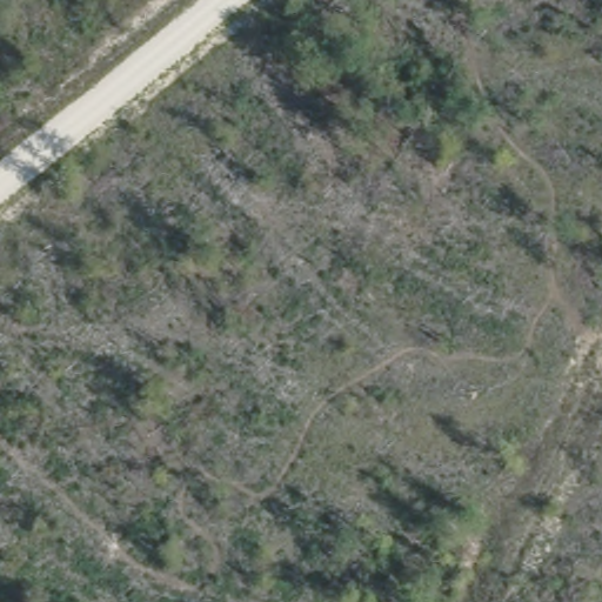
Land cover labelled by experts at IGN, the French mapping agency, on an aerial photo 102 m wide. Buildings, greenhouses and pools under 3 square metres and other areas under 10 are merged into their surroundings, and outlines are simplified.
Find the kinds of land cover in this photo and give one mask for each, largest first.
<instances>
[{"label":"coniferous trees","instance_id":"1","mask_svg":"<svg viewBox=\"0 0 602 602\"><path fill-rule=\"evenodd\" d=\"M198 0H0V162L7 155H12V151L21 146V141H26L35 129H42L66 106L87 94L113 68H118L127 56L143 47L151 38H155L165 26H169ZM508 16V7L501 2H496L494 7H473L470 2L461 0H247L242 7L226 12L223 21L209 33H205V38L198 40L188 54L179 56L172 66L158 73V78H153L139 94H134L125 106H120L113 120H106L103 127L92 129L80 141V146L71 148L68 153L49 162L28 183H21L19 190H14L7 200L0 202V602H461L466 597L468 583L475 578V569L461 567L466 550L463 546L447 548L440 541L447 539V522L452 517L463 515L466 508L454 496H447L433 484L414 477L409 468L395 466L393 459L386 454H381L374 461L372 468L360 470L357 480L374 482V491L369 494V499L388 508L390 517H395L393 536H383L381 543L374 541L364 527H360V520L341 529V513L329 503L320 501V494L303 496L299 487L282 484L261 503L275 517V527L292 531L299 555L292 562H259V534L249 529H235L230 536L226 562L219 571H183V578H176L174 571L186 560L183 541H169V527L165 520L172 501L155 499L148 506L122 503L120 499L125 487L111 480V475L134 470L155 475V470L162 466L160 454L165 452V442L190 437V426H202L219 416L221 402L216 397L202 400V395H198V386L209 376L212 369L207 367V353L202 348H193L188 341H183L188 336V329L183 322L190 317V310H195L198 315L207 317V325L226 332V310L219 301V289L214 285V277H209V270L221 268L223 249H230L233 256L240 259L252 242L261 245L263 235L259 233L256 219L270 207L275 198L287 200L296 195L306 205H322L327 181L339 179L348 183L353 172L362 167L360 155L372 146L388 143L393 136H397V148L412 151L428 162L452 167L461 160L463 141L475 136L482 125L494 120V115L506 120V132H513L520 122H534L536 129H543L557 115L562 99V94H550L541 89L539 94H534L539 103L536 111H517V101L522 99L520 82L508 80L496 89L475 87L473 80L466 78L463 66H456L449 54L440 56L437 49L447 40H454L459 33L468 35L470 28H482ZM586 9L581 14L557 9L548 2L527 9V16L520 24V28H510L506 33V40H513L517 52L529 49L534 56H543V42L550 35H560L564 40H576L581 47L586 45V54L602 63V0H583ZM169 477L186 482V491L195 499L200 508L216 510L219 499L212 491L214 487H209V482L200 477L198 470L172 468Z\"/></svg>","mask_w":602,"mask_h":602},{"label":"clear cut","instance_id":"2","mask_svg":"<svg viewBox=\"0 0 602 602\"><path fill-rule=\"evenodd\" d=\"M397 136H393L388 143L372 146L360 155L362 167L353 172L348 183L339 179L327 181L322 205H306L296 195L287 200L275 198L270 207L256 219L259 233L263 235L261 245L252 242L240 259L233 256L230 249H223L221 268L209 270V277H214V285L219 289V301L226 310V332L207 325V317L198 315L195 310H190V317L183 322L188 329V336L183 341H188L193 348H202L207 353V367L212 369L209 376L198 386V395H202V400L216 397L221 402L219 416L202 426H190V437L165 442V452L160 454L162 466L155 470V475L134 470L111 475V480L125 487L120 499L122 503L148 506L155 499L172 501L165 520L169 527V541H183L186 560L174 571L176 578H183V571H219L226 562L230 536L235 529H249L259 534V562H292L299 555L292 531L275 527V517L261 503L282 484L299 487L303 496L320 494V501L329 503L341 513V529L360 520V527H364L374 541L381 543L383 536H393L395 517H390L388 508L369 499V494L374 491V482L357 480L360 470L372 468L374 461L381 454H386L393 459L395 466L409 468L414 477L433 484L447 496H454L466 508L463 515L452 517L447 522V539L440 541L447 548L463 546L466 550L461 567L475 569V578L468 583L466 597L461 602H602V118L583 106H574L571 101L562 99L557 115L543 129H536L534 122H520L513 132H506V120L494 115V120L482 125L475 136L463 141L461 160L452 167L428 162L412 151L397 148ZM172 468L198 470L200 477L209 482V487H214L212 491L219 499L216 510L200 508L195 499L186 491V482L169 477Z\"/></svg>","mask_w":602,"mask_h":602},{"label":"pervious surface","instance_id":"3","mask_svg":"<svg viewBox=\"0 0 602 602\"><path fill-rule=\"evenodd\" d=\"M247 0H198L169 26H165L155 38H151L143 47L127 56L118 68H113L87 94L66 106L42 129H35L26 141H21V146L12 151V155H7L0 162V202L7 200L14 190H19L21 183H28L49 162L68 153L71 148L80 146V141L92 129L103 127L106 120H113L120 106H125L134 94H139L153 78H158V73L172 66L179 56L188 54L198 40L205 38V33H209L223 21L226 12L242 7Z\"/></svg>","mask_w":602,"mask_h":602},{"label":"herbaceous vegetation","instance_id":"4","mask_svg":"<svg viewBox=\"0 0 602 602\"><path fill-rule=\"evenodd\" d=\"M470 2L473 7H494L496 2H501L508 7V16L482 28H470L468 35L459 33L454 40H447L437 49L440 56L449 54L456 66H463L466 78L473 80L475 87L496 89L508 80L520 82L522 99L517 101V111H536L539 103L534 94H539L541 89L550 94H562V99L571 101L574 106H583L602 118V63L586 54V45L581 47L576 40H564L560 35H550L543 42V56H534L529 49L517 52L513 40H506V33L510 28H520V24L527 16V9L548 2L557 9L581 14L586 9L583 0H461Z\"/></svg>","mask_w":602,"mask_h":602}]
</instances>
